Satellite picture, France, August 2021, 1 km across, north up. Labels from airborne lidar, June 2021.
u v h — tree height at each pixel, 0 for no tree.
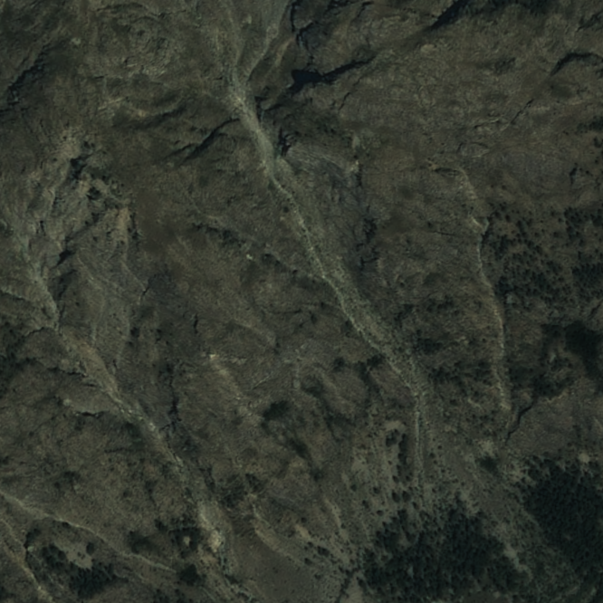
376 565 8
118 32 0
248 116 0
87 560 0
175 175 0
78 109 0
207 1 0
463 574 23
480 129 0
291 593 0
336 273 0
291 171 0
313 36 0
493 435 9
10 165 0
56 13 0
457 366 10
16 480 0
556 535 14
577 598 7
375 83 0
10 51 0
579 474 14
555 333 6
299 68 0
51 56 0
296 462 0
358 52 0
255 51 0
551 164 0
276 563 0
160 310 0
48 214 0
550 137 0
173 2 0
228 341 0
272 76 0
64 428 0
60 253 0
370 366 9
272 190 0
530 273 14
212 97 0
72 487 8
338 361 14
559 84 0
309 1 0
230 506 8
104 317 0
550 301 14
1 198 0
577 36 6
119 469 0
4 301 0
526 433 0
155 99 0
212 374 0
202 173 0
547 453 12
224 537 0
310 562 16
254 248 0
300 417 7
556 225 0
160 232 0
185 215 0
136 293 0
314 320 19
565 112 0
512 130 0
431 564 21
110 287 0
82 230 0
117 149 0
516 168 0
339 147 0
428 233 0
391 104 0
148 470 0
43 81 0
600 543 10
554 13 0
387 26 0
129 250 0
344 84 0
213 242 0
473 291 0
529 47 0
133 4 0
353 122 0
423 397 0
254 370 0
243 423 0
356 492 9
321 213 0
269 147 0
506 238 9
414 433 0
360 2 0
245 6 0
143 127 0
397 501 19
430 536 13
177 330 0
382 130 0
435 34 0
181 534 20
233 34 0
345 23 0
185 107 0
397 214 0
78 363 14
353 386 0
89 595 11
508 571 8
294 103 0
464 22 0
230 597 0
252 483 11
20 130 0
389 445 14
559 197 0
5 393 9
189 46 0
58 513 0
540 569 6
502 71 0
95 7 0
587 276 14
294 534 8
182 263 0
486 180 0
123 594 0
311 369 0
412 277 0
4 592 16
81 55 0
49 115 0
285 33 0
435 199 0
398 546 8
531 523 7
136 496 0
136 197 0
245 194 0
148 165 0
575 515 21
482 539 8
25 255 0
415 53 0
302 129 0
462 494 0
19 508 0
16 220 0
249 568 0
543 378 14
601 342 11
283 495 0
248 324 0
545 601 9
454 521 12
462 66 0
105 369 0
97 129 0
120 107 0
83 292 0
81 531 0
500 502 0
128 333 0
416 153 0
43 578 8
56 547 7
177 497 0
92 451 0
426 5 0
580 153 0
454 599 9
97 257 0
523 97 0
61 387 0
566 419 0
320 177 0
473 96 0
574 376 0
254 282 0
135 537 20
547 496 18
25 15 0
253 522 0
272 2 0
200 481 0
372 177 0
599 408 0
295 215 0
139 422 0
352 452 0
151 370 0
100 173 0
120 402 0
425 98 0
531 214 7
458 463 0
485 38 0
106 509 0
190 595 0
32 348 0
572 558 10
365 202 0
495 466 6
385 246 0
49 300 0
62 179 0
